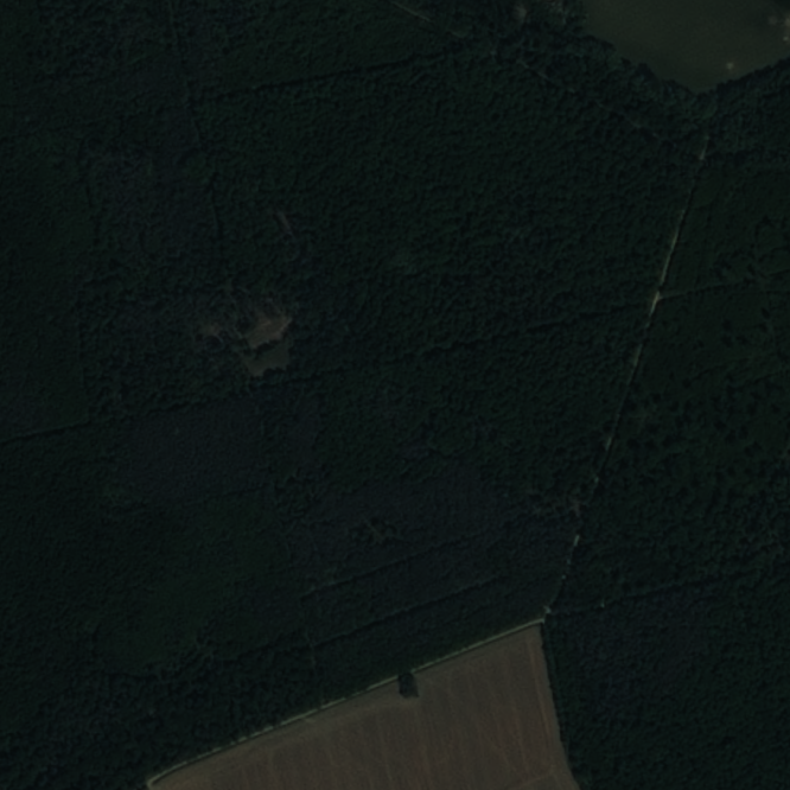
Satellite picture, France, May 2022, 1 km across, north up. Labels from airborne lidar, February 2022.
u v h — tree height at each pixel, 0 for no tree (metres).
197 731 25
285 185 22
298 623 13
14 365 16
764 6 0
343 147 23
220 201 23
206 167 21
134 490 16
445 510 17
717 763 26
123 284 25
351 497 18
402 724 0
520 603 17
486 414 17
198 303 24
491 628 11
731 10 0
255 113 22
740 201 9
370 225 19
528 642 0
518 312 22
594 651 21
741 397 27
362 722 0
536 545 24
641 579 9
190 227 12
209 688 21
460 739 0
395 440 17
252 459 16
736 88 16
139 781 22
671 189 23
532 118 22
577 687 14
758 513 24
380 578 13
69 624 17
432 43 9
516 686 0
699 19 0
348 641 15
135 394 24
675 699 20
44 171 17
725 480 25
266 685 19
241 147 22
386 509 19
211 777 0
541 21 8
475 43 21
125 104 18
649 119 24
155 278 10
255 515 13
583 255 25
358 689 11
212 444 19
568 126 24
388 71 19
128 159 30
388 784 0
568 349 20
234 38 11
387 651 12
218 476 18
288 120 23
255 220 20
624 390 21
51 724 23
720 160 14
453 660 0
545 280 21
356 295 23
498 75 22
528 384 22
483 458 15
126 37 26
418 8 12
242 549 13
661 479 23
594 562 19
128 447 21
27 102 13
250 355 16
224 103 20
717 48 0
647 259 23
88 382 17
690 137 24
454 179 25
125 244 24
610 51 24
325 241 18
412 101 21
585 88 24
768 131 17
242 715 19
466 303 26
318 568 15
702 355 10
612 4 0
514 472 16
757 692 25
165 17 13
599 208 19
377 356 20
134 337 25
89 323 21
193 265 11
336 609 14
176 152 14
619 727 21
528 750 0
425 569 17
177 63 17
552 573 14
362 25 9
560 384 22
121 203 26
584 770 19
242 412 21
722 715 25
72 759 27
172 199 14
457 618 14
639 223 23
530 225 21
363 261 19
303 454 19
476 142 22
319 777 0
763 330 24
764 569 20
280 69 7
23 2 12
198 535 14
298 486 16
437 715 0
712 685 22
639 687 21
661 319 7
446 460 19
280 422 21
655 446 23
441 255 22
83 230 14
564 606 19
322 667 13
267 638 16
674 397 9
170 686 11
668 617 21
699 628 23
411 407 21
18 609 19
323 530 13
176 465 22
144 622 15
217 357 22
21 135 15
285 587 17
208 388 22
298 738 0
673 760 24
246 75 11
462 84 23
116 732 27
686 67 0
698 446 26
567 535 23
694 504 25
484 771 0
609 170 21
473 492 17
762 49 0
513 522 17
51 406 13
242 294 23
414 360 23
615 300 21
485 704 0
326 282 18
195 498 17
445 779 0
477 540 14
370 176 23
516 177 23
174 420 20
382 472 17
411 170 23
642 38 0
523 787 0
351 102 20
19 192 17
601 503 19
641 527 20
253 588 13
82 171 24
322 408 14
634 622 21
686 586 22
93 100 15
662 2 0
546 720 0
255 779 0
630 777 23
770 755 23
